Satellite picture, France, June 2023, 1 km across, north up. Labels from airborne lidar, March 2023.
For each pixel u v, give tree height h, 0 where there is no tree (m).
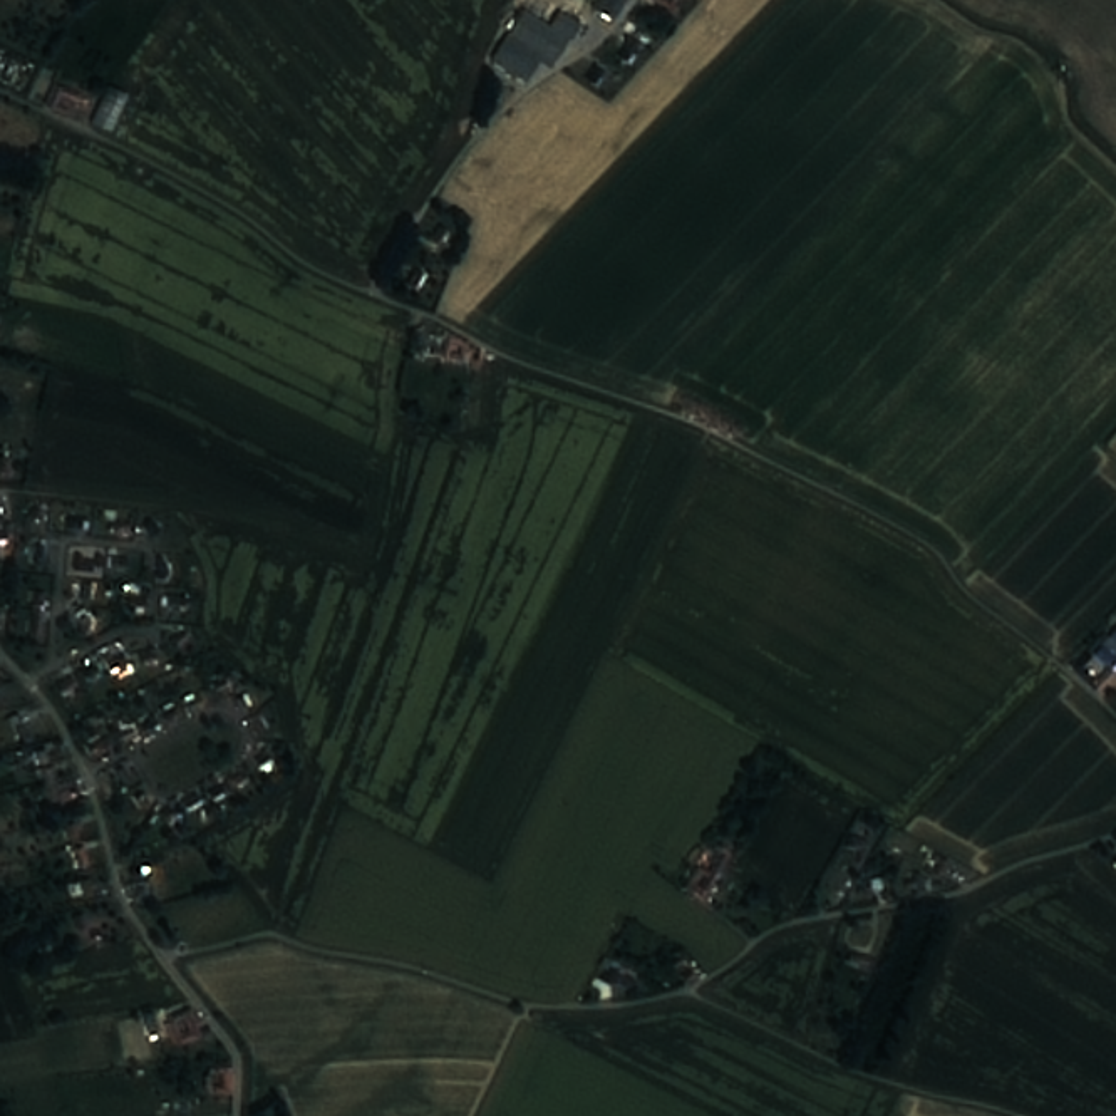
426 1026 0
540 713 0
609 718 0
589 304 0
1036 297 0
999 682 0
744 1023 0
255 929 0
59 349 0
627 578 0
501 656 0
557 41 0
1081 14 0
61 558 0
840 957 7
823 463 0
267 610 0
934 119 0
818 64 0
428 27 0
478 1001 0
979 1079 0
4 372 0
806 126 0
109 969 0
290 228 0
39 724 0
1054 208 0
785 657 0
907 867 0
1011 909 0
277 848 0
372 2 0
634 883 0
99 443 0
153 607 0
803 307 0
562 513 0
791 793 0
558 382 0
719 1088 0
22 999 0
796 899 0
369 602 0
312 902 0
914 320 0
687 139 0
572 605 0
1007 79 0
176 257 0
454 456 0
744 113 0
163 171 0
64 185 0
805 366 0
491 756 0
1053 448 0
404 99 0
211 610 0
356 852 0
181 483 0
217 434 0
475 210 0
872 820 13
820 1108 0
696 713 0
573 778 0
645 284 0
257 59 0
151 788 0
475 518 0
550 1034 0
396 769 0
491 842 0
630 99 0
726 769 0
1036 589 0
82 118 0
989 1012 0
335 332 0
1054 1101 0
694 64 0
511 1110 0
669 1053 0
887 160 0
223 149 0
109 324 0
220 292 0
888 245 0
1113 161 0
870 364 0
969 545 0
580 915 0
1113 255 0
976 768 0
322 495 0
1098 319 0
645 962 6
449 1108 0
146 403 0
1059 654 0
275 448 0
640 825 0
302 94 0
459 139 0
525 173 0
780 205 0
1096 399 0
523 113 0
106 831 0
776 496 0
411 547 0
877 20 0
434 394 0
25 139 0
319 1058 0
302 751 0
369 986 0
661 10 9
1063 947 0
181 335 0
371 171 0
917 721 0
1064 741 0
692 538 0
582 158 0
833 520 0
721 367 0
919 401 0
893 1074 0
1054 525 0
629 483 0
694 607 0
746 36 0
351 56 0
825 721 0
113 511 0
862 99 0
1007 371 0
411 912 0
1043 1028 0
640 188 0
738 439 0
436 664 0
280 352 0
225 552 0
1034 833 0
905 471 0
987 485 0
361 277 0
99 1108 0
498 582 0
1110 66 0
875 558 0
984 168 0
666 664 0
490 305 0
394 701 0
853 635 0
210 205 0
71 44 0
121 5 0
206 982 0
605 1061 0
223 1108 0
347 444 0
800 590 0
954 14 0
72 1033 0
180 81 0
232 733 0
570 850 0
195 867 0
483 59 0
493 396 0
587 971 0
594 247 0
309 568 0
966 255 0
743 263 0
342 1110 0
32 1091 0
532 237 0
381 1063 0
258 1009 0
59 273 0
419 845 0
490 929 0
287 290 0
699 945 0
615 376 0
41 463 0
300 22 0
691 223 0
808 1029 0
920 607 0
